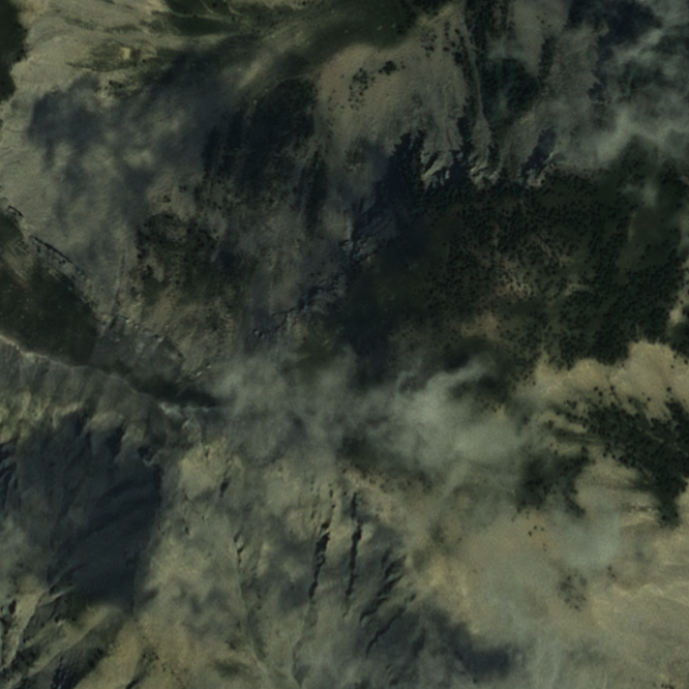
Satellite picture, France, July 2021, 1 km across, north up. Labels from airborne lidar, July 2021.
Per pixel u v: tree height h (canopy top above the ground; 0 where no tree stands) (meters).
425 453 0
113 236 0
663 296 8
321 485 0
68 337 0
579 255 0
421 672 0
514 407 0
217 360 0
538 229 8
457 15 0
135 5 0
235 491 0
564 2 0
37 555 0
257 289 0
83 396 0
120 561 0
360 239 0
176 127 0
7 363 0
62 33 0
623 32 9
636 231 0
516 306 0
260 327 0
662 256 0
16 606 0
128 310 0
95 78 0
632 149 9
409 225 7
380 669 0
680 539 0
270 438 0
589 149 0
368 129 0
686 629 0
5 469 0
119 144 0
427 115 0
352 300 0
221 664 0
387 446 0
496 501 7
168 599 0
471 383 0
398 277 0
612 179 0
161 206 0
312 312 0
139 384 0
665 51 16
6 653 0
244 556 0
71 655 0
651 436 0
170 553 0
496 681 0
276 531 0
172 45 0
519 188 8
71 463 0
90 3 0
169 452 0
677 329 0
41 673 0
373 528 0
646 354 0
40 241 0
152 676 0
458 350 0
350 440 0
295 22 0
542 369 0
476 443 0
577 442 0
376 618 0
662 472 6
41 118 0
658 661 0
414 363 0
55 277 0
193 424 0
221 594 0
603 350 5
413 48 0
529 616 0
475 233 8
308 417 0
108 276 0
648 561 0
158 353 0
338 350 0
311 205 5
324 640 0
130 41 0
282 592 0
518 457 0
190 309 0
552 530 0
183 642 0
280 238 0
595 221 7
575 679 0
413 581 0
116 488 0
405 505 0
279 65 0
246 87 0
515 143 0
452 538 0
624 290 6
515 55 14
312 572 0
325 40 0
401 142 0
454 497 0
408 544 0
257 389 0
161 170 0
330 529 0
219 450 0
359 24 0
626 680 0
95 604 0
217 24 0
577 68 0
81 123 0
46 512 0
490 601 0
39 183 0
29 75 0
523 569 0
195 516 0
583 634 0
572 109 0
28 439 0
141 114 0
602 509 0
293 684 0
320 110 0
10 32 0
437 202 11
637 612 0
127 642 0
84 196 0
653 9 13
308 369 0
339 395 0
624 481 0
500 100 22
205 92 0
